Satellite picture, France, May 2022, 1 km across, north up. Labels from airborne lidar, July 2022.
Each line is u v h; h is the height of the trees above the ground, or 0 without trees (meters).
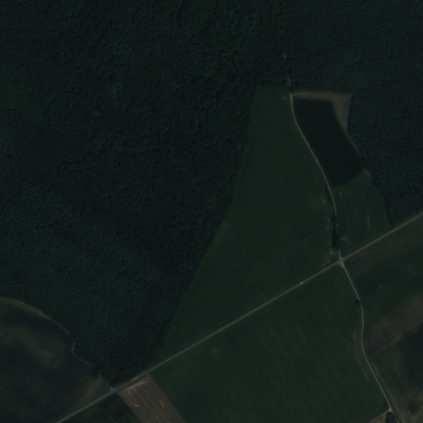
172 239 26
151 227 21
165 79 19
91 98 24
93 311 26
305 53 18
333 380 0
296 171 0
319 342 0
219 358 0
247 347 0
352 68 24
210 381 0
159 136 26
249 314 0
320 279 0
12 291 21
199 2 27
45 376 0
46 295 21
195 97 23
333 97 0
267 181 0
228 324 0
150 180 26
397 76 19
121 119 28
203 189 23
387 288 0
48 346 0
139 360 16
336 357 0
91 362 18
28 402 0
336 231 11
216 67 24
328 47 18
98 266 26
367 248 0
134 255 17
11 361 0
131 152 14
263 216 0
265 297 0
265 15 15
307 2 18
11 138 23
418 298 0
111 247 29
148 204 20
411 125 19
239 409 0
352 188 0
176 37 21
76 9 20
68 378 0
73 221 21
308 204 0
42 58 21
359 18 20
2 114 23
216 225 19
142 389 0
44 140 15
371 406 0
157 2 23
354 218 0
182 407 0
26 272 21
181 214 21
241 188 0
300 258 0
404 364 0
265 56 15
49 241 20
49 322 0
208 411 0
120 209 21
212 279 0
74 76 25
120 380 13
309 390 0
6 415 0
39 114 12
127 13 27
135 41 21
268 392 0
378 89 23
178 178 21
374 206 0
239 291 0
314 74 18
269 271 0
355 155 0
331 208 0
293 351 0
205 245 17
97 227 25
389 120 19
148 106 25
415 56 18
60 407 0
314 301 0
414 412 0
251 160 0
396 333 0
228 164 23
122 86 23
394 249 0
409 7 18
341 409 0
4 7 20
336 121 0
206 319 0
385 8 16
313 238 0
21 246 30
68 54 28
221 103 20
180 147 25
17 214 28
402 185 18
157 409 0
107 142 19
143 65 17
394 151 17
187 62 31
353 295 0
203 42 27
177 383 0
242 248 0
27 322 0
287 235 0
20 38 23
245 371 0
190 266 27
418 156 16
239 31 21
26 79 14
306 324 0
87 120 22
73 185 19
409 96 17
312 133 0
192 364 0
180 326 0
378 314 0
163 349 0
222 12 22
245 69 13
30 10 20
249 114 13
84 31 21
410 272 0
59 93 22
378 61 19
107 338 24
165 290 21
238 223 0
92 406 0
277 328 0
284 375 0
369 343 0
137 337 17
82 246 24
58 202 26
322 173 0
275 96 0
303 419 0
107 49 20
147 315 16
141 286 21
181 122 24
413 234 0
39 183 15
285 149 0
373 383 0
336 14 15
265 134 0
